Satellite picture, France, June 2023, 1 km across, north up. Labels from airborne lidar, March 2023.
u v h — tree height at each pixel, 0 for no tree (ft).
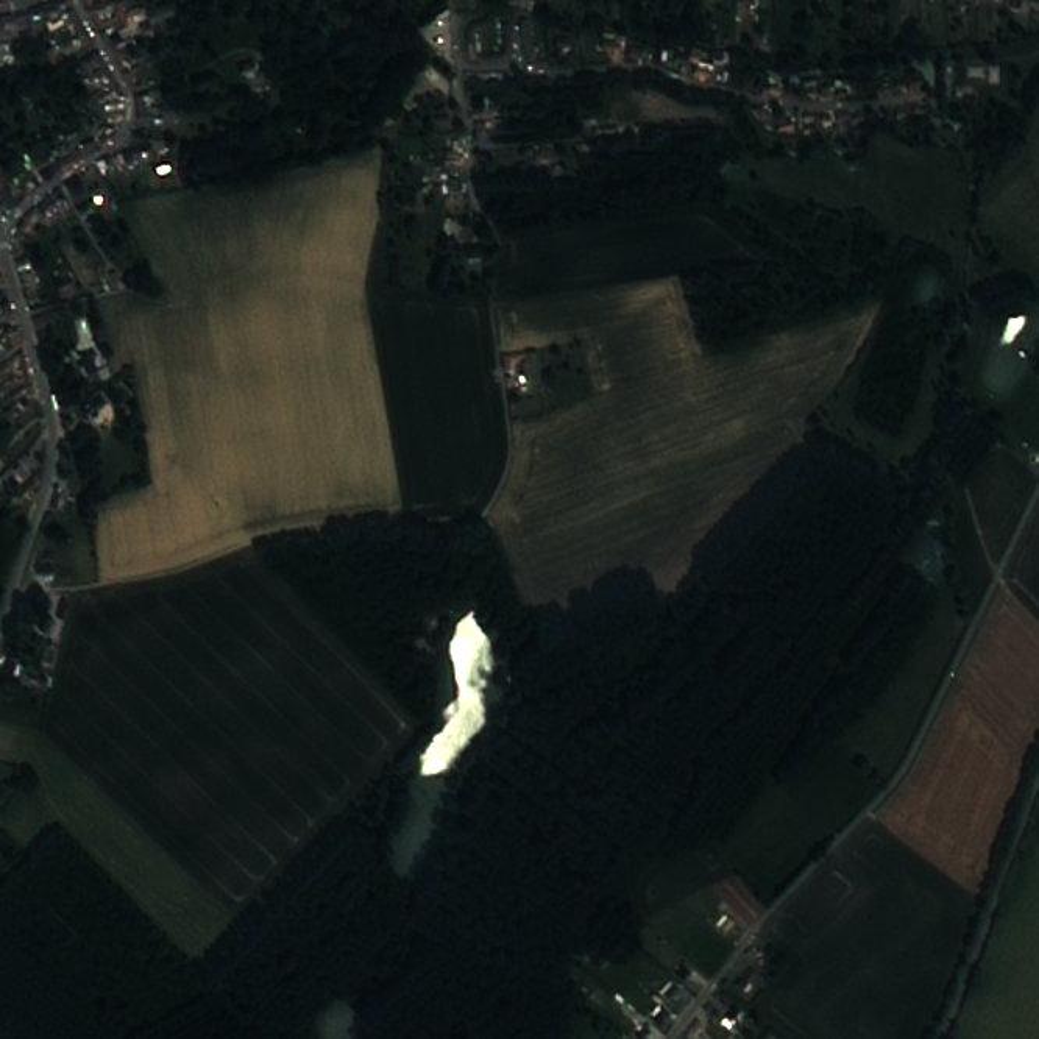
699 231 0
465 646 0
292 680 0
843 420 0
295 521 0
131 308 0
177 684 0
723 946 0
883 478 111
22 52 34
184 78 52
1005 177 0
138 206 0
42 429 0
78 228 24
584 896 124
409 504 0
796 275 62
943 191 0
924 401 0
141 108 0
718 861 0
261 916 95
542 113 31
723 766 98
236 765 0
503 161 0
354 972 45
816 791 0
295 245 0
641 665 60
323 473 0
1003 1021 0
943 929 0
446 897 115
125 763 0
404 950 63
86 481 21
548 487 0
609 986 0
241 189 0
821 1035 0
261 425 0
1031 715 0
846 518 116
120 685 0
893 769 0
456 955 119
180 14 57
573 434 0
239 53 0
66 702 0
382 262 0
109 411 0
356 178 0
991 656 0
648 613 111
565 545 0
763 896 23
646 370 0
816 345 0
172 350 0
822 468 115
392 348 0
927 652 0
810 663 88
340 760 0
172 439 0
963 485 0
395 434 0
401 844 0
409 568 82
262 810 0
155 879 0
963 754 0
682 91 59
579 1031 0
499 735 92
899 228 0
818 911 0
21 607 61
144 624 0
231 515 0
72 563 0
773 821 0
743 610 108
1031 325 0
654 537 0
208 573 0
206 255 0
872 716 0
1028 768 30
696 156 33
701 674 119
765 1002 0
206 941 0
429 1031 117
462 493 0
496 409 0
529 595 0
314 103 47
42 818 0
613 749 107
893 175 0
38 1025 106
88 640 0
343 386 0
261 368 0
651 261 0
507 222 73
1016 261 0
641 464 0
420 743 43
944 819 0
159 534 0
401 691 54
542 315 0
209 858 0
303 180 0
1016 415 0
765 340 0
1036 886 0
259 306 0
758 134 29
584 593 0
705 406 0
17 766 26
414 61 94
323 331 0
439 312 0
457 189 0
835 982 0
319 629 0
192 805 0
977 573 0
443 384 0
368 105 87
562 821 118
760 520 116
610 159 54
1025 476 0
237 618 0
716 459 0
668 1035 0
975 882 0
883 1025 0
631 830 128
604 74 22
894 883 0
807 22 40
